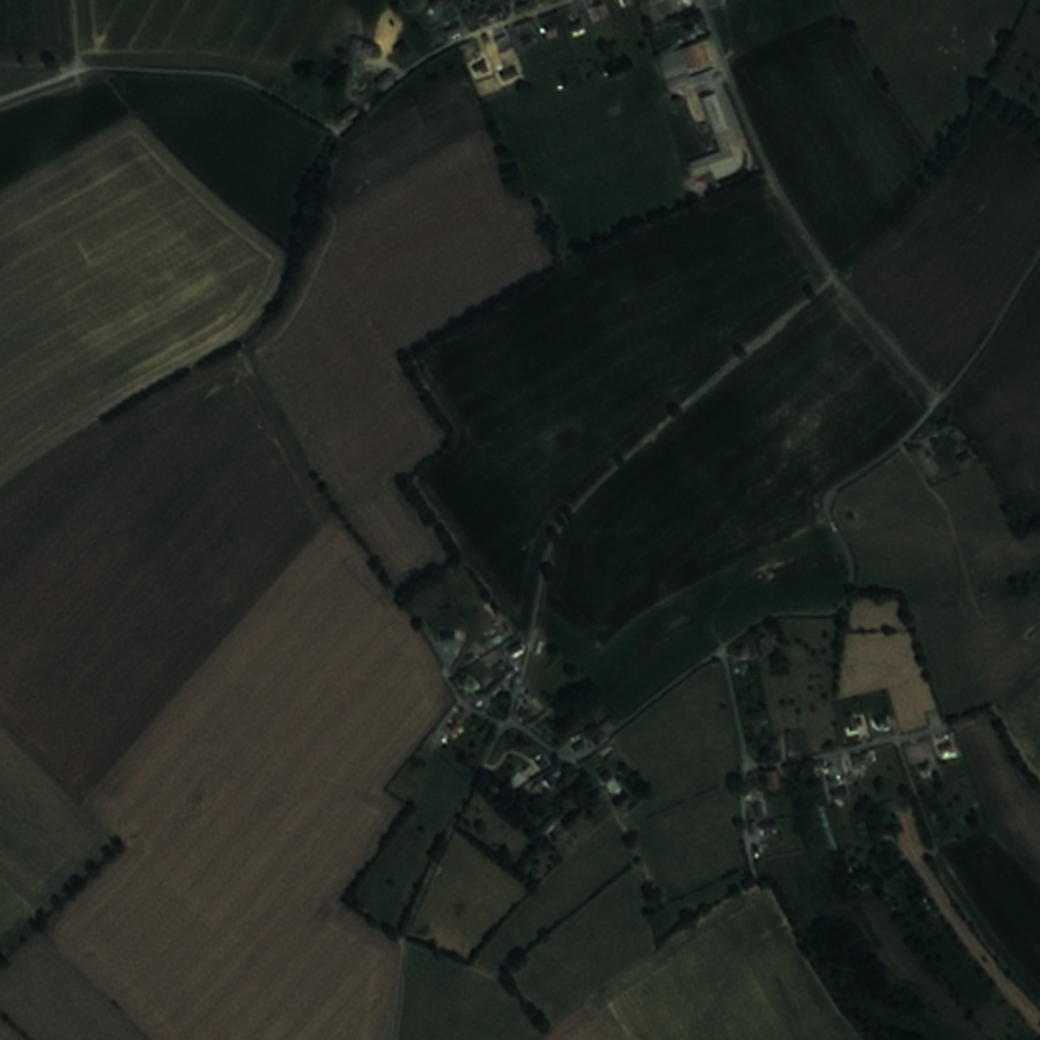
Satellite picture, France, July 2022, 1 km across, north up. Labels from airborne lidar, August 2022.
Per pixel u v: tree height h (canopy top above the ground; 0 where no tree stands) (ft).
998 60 28
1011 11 0
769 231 0
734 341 0
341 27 0
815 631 0
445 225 0
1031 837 0
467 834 27
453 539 35
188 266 0
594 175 0
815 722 0
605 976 0
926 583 0
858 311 0
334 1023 0
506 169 52
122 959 0
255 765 0
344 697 0
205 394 0
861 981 37
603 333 0
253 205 0
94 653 0
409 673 0
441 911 0
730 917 0
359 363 0
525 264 0
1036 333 0
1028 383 0
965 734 0
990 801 0
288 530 0
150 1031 0
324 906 0
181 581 0
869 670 0
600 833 0
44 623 0
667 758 0
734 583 0
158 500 0
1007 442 0
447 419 35
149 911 0
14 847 0
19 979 0
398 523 0
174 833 0
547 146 0
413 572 0
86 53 0
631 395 0
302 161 0
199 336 0
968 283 0
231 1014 0
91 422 0
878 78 40
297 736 0
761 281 0
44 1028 0
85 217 0
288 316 0
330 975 0
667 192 0
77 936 0
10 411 0
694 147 0
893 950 0
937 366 0
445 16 0
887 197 0
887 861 25
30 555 0
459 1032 0
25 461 0
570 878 0
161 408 0
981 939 20
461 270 0
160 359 0
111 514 0
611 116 0
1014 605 0
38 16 0
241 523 0
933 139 0
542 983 0
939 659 0
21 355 0
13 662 0
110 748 0
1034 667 0
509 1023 0
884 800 0
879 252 0
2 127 0
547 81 0
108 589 0
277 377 0
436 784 0
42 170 0
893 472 0
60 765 0
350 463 0
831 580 0
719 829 0
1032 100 21
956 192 0
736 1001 0
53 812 0
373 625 0
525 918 0
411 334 0
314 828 0
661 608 0
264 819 0
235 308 0
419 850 0
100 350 0
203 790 0
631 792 23
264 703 0
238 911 0
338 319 0
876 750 0
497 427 0
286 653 0
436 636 0
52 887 0
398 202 0
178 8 0
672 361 0
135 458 0
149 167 0
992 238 0
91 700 0
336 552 0
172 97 0
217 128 0
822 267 0
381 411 0
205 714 0
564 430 0
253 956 0
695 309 0
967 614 0
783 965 0
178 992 0
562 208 0
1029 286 0
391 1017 0
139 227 0
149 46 0
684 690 0
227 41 0
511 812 42
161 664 0
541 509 0
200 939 0
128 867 0
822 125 0
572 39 0
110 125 0
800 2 0
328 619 0
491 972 0
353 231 0
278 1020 0
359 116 25
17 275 0
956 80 0
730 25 0
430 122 0
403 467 0
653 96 0
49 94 0
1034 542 0
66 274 0
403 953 0
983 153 0
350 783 0
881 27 0
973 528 0
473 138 0
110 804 0
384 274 0
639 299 0
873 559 0
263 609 0
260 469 0
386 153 0
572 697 59
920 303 0
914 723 0
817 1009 0
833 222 0
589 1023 0
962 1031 0
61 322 0
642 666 0
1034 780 41
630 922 0
